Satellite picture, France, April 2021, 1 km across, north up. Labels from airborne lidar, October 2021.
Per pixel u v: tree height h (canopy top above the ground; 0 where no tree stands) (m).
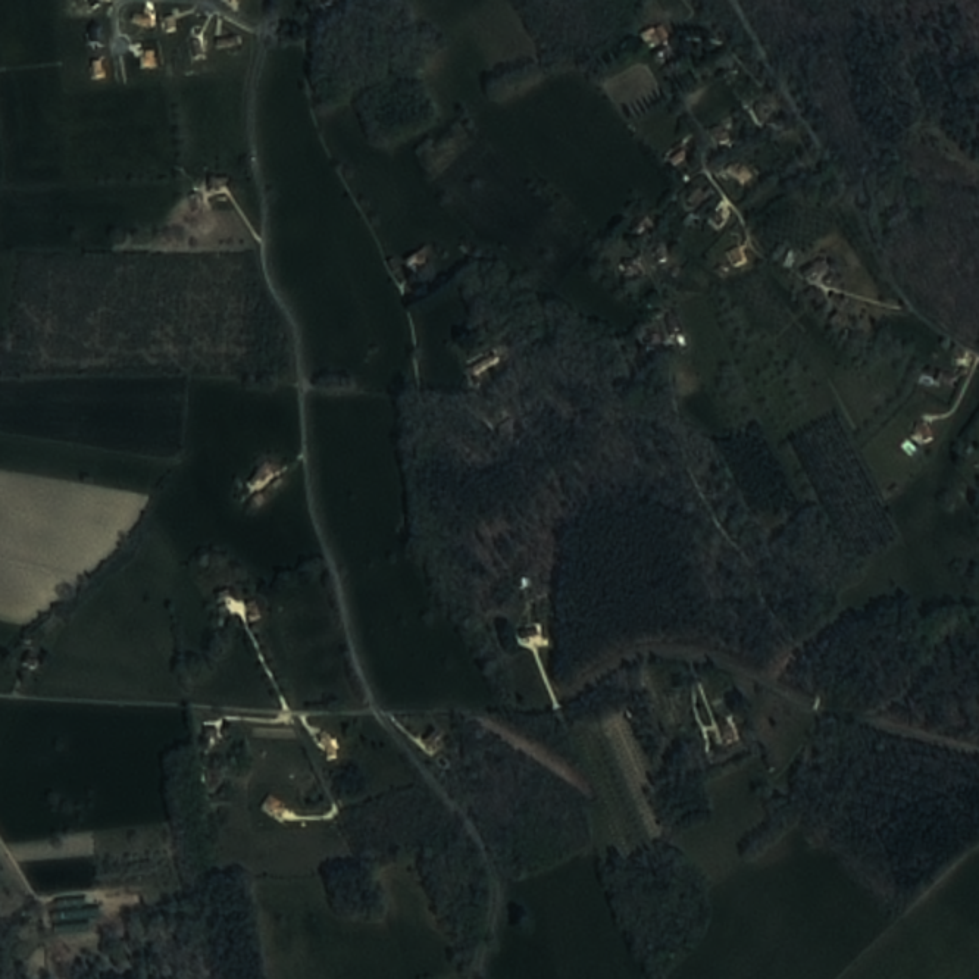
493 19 0
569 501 18
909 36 12
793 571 22
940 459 0
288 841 0
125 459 0
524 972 0
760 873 0
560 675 21
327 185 0
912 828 17
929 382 0
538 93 0
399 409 26
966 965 0
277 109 0
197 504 0
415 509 15
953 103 13
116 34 0
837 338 6
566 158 0
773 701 0
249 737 0
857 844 16
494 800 16
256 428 0
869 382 0
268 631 0
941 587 0
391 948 0
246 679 0
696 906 12
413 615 0
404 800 8
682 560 22
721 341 0
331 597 15
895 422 0
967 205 19
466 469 21
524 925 29
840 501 11
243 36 0
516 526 20
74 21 0
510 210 0
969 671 24
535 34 14
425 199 0
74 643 0
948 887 0
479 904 23
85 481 9
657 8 0
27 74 0
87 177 0
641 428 22
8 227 0
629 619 23
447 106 0
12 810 0
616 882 17
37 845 0
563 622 21
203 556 10
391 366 0
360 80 25
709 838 0
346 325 0
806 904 0
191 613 0
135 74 0
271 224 0
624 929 14
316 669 0
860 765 18
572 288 0
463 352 13
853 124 19
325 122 0
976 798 16
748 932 0
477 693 0
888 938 0
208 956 20
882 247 11
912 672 24
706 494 16
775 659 20
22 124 0
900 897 11
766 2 13
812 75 16
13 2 0
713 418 0
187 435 0
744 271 0
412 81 18
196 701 0
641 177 0
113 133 0
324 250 0
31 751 0
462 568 19
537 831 16
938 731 23
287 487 0
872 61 14
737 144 16
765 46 11
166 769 13
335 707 16
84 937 0
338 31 23
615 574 24
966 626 19
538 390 21
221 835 0
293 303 0
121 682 0
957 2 9
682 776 19
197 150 0
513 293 20
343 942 0
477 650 18
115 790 0
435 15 0
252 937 26
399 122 21
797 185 18
